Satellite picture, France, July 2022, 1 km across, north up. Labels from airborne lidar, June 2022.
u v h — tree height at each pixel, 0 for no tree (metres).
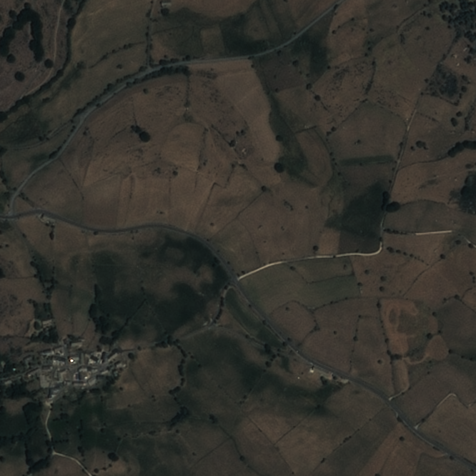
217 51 0
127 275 0
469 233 0
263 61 0
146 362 0
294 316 0
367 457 0
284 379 0
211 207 0
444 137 0
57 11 0
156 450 0
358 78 0
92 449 0
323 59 0
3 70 0
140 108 0
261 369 0
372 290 0
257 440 0
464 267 0
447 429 0
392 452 0
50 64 17
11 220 0
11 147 0
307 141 0
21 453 0
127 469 0
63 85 0
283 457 0
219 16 0
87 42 0
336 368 0
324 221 0
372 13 0
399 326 0
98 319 11
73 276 0
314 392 0
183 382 8
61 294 0
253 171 0
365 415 0
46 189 0
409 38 0
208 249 0
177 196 0
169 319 0
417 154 0
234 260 0
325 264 0
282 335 0
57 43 0
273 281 0
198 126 0
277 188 0
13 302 0
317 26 0
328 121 0
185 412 21
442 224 0
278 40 0
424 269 0
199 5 0
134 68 0
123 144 0
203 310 0
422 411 0
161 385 0
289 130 0
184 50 0
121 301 0
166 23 0
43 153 0
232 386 0
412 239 0
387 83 0
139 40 0
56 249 0
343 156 0
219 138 0
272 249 0
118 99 0
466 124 6
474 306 0
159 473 0
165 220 0
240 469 0
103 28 0
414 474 0
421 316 0
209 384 0
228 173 0
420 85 0
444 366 0
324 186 0
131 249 0
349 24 0
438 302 0
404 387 0
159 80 0
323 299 0
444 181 0
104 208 0
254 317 0
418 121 0
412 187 0
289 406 0
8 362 9
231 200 0
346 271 0
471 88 0
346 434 0
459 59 0
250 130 0
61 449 0
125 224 0
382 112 0
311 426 0
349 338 0
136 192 0
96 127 0
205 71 0
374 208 0
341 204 0
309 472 0
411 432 0
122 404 0
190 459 0
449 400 0
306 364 0
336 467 0
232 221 0
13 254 0
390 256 0
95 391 12
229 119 0
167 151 0
